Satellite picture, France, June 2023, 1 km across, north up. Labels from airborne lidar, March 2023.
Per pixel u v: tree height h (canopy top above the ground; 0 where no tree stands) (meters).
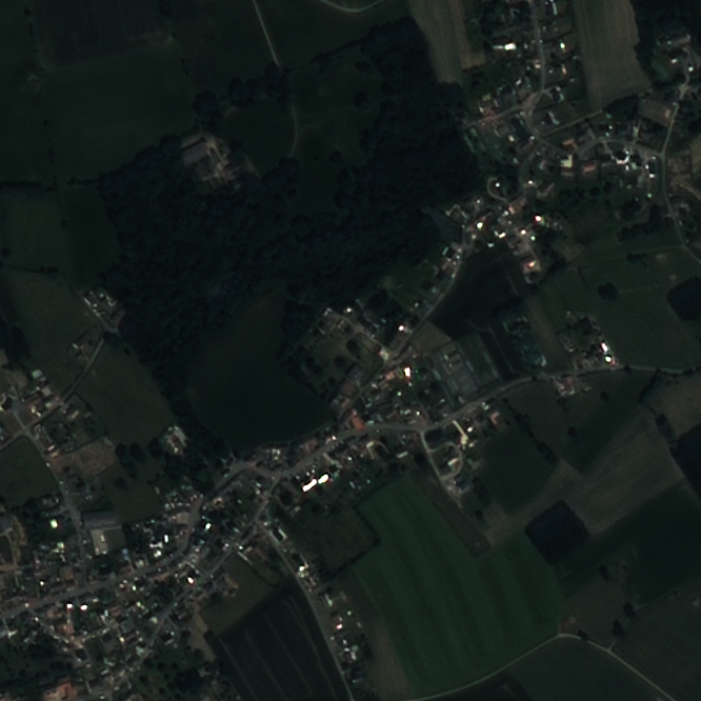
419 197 24
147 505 0
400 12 0
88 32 0
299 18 0
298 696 0
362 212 28
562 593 0
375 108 0
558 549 28
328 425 0
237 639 0
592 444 0
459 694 0
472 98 0
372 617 0
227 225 29
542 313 0
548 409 0
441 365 0
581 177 0
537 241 8
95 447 0
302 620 0
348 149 0
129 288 24
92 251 0
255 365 0
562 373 0
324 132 0
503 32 0
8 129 0
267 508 0
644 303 0
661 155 0
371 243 27
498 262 0
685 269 0
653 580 0
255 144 0
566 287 0
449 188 28
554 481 0
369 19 0
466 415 0
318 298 19
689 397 0
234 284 21
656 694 0
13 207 0
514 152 12
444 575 0
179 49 0
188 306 7
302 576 0
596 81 0
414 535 0
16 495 0
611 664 0
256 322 0
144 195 25
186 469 12
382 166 21
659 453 0
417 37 26
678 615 0
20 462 0
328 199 0
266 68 0
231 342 0
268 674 0
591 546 0
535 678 0
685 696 0
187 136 6
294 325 27
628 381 0
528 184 0
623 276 0
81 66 0
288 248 32
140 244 29
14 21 0
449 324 0
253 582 0
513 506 0
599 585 0
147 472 0
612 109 11
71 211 0
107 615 0
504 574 0
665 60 0
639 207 9
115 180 24
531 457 0
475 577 0
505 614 0
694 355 0
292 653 0
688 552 0
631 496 0
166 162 21
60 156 0
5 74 0
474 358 0
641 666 0
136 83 0
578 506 0
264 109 0
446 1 0
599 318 0
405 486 0
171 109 0
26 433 0
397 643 0
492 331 0
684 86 0
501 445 0
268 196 24
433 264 0
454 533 0
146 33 0
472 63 0
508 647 0
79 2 0
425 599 0
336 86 0
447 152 32
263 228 33
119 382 0
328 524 0
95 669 0
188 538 0
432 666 0
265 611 0
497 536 0
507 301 0
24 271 0
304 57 0
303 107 0
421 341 0
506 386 0
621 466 0
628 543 0
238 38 0
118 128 0
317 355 0
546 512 0
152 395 0
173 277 27
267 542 0
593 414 0
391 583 0
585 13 0
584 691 0
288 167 20
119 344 12
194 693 7
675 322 0
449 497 0
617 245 0
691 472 32
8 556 0
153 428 0
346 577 0
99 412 0
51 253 0
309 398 0
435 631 0
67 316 0
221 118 18
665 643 0
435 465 0
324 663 0
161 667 9
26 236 0
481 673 0
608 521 0
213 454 15
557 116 0
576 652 0
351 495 0
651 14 13
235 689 0
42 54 0
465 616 0
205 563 0
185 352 23
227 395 0
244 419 0
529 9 13
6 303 0
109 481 0
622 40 0
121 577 0
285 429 0
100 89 0
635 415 0
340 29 0
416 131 29
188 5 0
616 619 0
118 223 21
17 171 0
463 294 0
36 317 0
